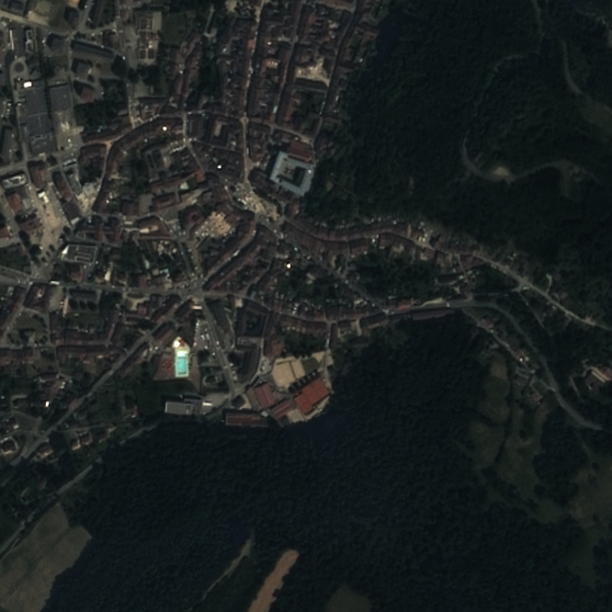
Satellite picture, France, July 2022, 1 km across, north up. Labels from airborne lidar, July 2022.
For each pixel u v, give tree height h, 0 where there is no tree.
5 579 0
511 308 9
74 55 0
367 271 18
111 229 0
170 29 0
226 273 0
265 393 0
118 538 26
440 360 16
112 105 9
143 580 21
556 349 24
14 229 0
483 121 9
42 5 0
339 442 23
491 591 26
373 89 20
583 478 0
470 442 12
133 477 21
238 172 0
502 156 16
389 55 24
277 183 0
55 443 17
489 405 0
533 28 18
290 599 19
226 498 34
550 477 16
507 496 28
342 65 0
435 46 22
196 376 0
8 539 0
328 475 26
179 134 0
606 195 22
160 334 0
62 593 24
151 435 11
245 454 31
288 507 29
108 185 0
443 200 12
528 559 18
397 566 30
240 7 10
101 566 27
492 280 8
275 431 20
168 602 12
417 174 17
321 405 0
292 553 0
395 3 7
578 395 27
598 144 18
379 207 19
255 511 20
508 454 0
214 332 0
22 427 0
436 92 19
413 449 35
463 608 31
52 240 0
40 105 0
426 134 25
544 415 0
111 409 8
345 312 0
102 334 0
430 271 9
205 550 18
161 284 0
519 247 6
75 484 6
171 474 31
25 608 0
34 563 0
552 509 0
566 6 19
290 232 0
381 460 21
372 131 11
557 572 27
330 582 15
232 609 8
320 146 0
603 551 19
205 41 16
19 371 9
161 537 24
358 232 0
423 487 24
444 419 26
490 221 20
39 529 0
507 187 9
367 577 22
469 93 18
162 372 0
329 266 6
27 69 0
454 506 14
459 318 20
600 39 21
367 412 26
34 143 0
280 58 0
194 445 21
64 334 0
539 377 11
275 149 13
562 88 16
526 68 20
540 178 18
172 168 8
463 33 24
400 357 13
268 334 0
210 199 0
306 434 6
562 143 10
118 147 0
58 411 12
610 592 31
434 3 28
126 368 0
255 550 17
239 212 0
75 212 0
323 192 19
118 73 16
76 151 0
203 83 12
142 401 0
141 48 0
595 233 10
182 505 31
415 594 36
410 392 31
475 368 26
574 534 29
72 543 0
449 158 10
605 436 13
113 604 17
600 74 24
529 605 22
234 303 0
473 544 29
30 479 19
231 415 0
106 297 9
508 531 25
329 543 13
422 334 17
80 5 8
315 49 0
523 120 13
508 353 12
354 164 8
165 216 0
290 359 0
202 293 0
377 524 17
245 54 0
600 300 8
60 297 0
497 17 21
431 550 23
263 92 0
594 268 18
